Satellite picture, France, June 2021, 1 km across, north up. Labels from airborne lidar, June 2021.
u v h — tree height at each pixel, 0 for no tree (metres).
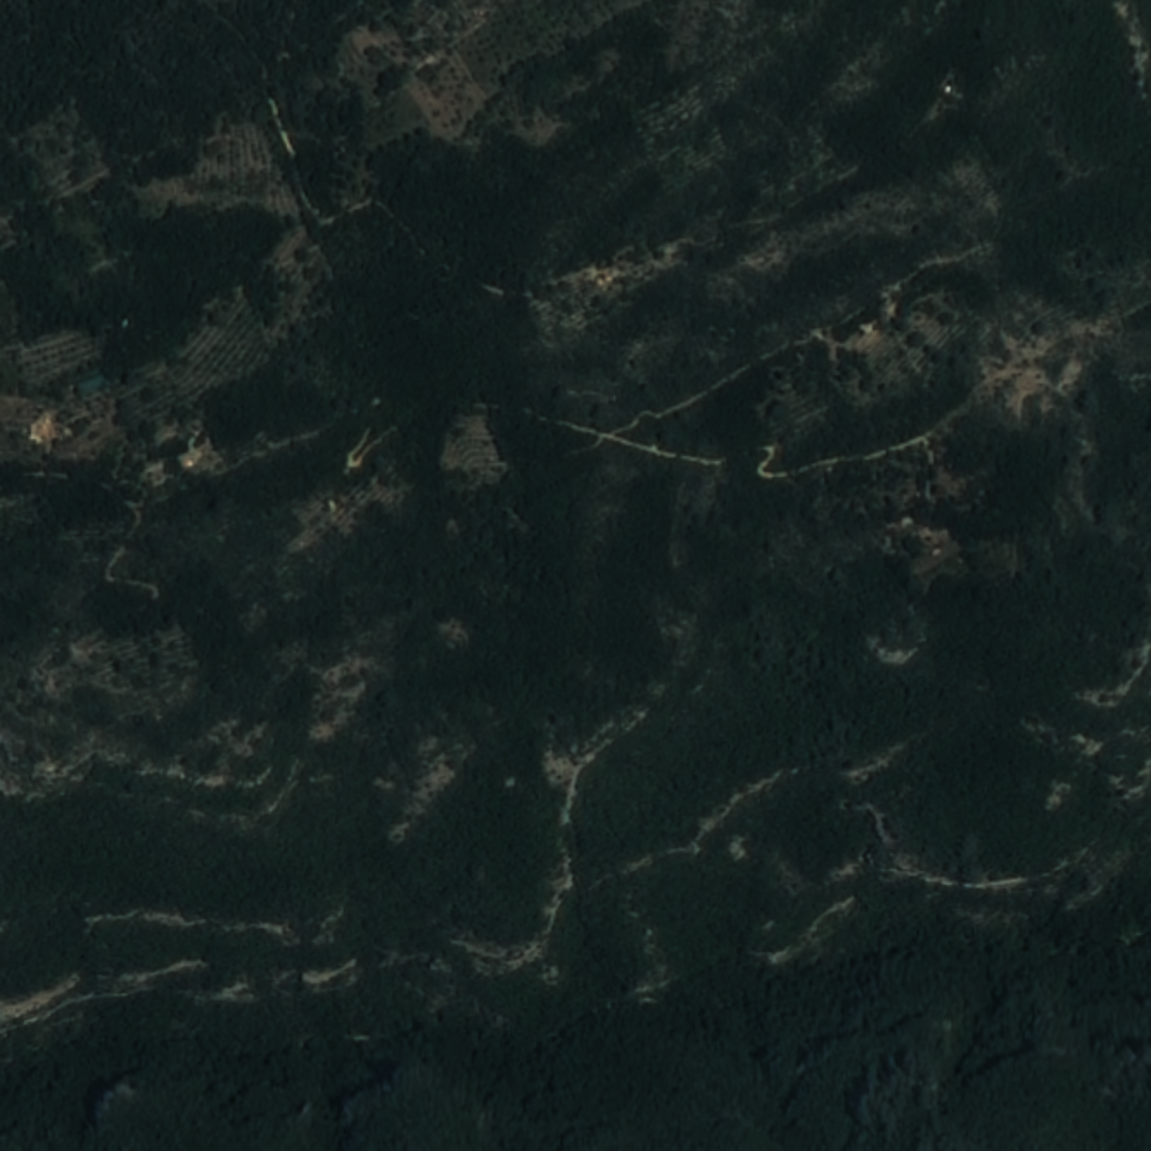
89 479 9
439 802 7
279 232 12
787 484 8
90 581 6
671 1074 21
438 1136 13
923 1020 25
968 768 18
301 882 8
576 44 15
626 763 8
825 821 16
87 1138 12
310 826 9
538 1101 22
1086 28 10
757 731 11
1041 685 12
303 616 5
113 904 7
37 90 8
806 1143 18
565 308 8
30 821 9
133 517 6
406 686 8
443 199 12
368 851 15
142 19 7
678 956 15
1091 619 11
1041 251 10
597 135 7
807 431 7
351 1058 12
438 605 7
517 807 13
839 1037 12
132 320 10
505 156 7
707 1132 14
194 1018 8
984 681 8
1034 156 6
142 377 6
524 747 13
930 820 11
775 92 6
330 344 8
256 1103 14
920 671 8
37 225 14
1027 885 21
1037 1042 11
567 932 11
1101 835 8
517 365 9
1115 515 22
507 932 8
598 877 9
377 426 8
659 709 9
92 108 9
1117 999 16
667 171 6
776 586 10
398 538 10
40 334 7
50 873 13
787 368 6
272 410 8
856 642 14
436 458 12
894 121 6
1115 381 7
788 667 16
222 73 10
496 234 9
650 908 11
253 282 9
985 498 9
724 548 9
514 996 15
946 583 11
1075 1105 15
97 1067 17
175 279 7
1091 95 16
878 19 7
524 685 7
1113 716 7
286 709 12
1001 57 7
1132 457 18
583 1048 18
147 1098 9
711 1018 20
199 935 15
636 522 8
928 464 8
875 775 9
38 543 6
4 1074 15
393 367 10
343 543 6
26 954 12
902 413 8
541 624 13
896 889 10
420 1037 19
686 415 11
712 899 13
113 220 6
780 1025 14
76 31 11
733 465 10
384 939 11
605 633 10
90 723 6
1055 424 6
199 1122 8
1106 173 6
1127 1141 17
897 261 7
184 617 12
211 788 9
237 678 7
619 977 16
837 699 15
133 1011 15
